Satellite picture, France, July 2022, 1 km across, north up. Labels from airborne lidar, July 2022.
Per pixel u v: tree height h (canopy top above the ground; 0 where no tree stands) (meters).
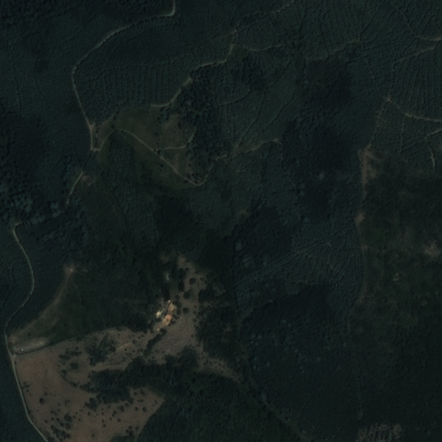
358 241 11
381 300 6
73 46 10
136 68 11
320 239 9
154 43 10
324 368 12
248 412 10
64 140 11
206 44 8
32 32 10
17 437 14
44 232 15
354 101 14
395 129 8
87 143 10
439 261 7
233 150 10
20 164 21
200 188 8
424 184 13
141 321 16
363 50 16
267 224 14
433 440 16
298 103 7
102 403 6
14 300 8
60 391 0
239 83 18
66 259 12
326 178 11
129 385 7
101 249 8
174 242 12
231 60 13
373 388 8
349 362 11
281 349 15
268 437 11
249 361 15
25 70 12
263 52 12
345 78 13
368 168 0
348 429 14
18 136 14
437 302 11
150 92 11
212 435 8
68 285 0
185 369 9
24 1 6
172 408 6
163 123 19
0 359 8
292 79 15
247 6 13
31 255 8
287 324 16
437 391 18
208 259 15
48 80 11
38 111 12
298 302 17
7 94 13
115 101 16
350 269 12
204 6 13
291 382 15
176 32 10
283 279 14
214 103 27
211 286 11
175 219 15
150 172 9
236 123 9
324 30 13
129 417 0
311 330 10
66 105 8
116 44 10
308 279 13
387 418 13
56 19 12
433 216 17
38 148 14
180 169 0
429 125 12
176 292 0
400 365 11
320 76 10
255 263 10
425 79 14
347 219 9
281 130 15
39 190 13
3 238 12
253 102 17
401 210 9
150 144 0
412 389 15
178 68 13
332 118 10
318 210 9
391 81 10
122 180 12
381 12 12
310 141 9
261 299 19
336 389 13
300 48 18
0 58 13
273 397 16
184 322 0
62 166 9
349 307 10
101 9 9
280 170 13
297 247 10
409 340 12
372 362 6
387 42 8
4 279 7
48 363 0
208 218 15
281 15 12
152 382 8
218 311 19
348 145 7
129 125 0
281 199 12
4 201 17
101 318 6
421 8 12
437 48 13
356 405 12
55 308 0
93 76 11
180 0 9
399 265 9
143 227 12
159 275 11
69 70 10
